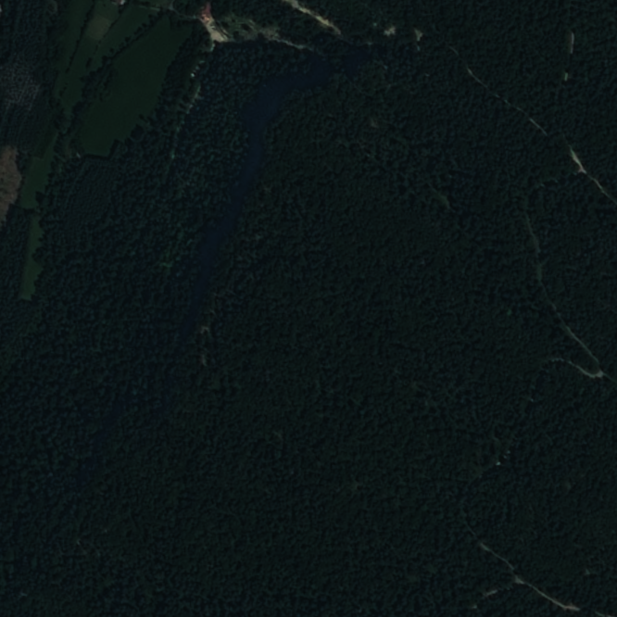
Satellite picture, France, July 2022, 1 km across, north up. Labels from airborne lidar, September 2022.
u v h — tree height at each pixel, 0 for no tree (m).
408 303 23
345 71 21
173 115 10
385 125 13
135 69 0
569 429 24
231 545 12
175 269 9
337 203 28
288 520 17
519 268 29
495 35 11
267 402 21
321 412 19
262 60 11
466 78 20
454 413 25
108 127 0
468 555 9
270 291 18
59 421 27
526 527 17
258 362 13
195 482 19
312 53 5
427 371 29
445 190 26
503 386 18
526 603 22
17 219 27
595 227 17
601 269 21
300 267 23
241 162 21
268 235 6
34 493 11
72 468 27
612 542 15
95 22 0
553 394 18
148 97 0
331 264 28
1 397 6
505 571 30
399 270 26
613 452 18
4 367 12
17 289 29
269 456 31
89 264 9
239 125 13
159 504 22
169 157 18
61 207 22
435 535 17
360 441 17
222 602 9
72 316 21
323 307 19
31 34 34
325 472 19
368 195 16
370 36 24
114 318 17
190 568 17
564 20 22
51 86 25
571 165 22
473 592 21
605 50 16
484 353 24
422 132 33
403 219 18
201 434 19
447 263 12
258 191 20
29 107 31
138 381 37
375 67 11
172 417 20
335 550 17
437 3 22
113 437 26
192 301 28
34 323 24
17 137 31
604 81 30
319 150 16
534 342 16
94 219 24
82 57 0
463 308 16
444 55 24
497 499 11
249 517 17
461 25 13
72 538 20
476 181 29
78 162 20
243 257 21
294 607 29
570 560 18
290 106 14
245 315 25
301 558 17
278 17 11
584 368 12
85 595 19
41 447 9
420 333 18
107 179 22
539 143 23
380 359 23
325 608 28
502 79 18
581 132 12
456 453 13
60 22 16
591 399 18
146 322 16
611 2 11
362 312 28
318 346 7
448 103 24
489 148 19
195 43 12
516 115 14
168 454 23
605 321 20
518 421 22
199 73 19
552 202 23
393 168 30
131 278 17
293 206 12
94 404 36
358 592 27
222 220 22
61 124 29
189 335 22
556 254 14
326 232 19
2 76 27
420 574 24
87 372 31
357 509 11
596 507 14
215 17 18
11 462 15
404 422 20
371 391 16
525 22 11
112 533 10
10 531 31
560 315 16
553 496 16
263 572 17
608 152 20
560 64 24
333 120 25
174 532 28
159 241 19
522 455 24
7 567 31
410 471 18
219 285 18
